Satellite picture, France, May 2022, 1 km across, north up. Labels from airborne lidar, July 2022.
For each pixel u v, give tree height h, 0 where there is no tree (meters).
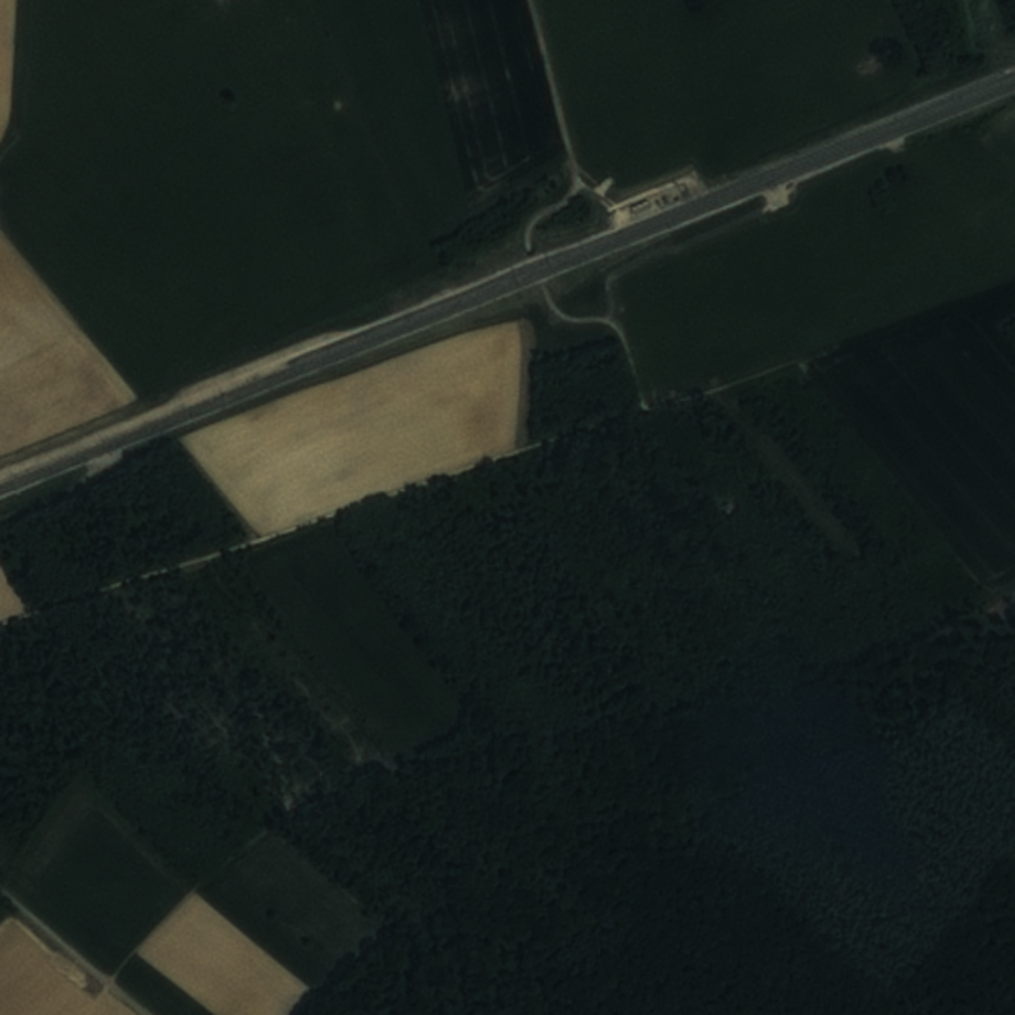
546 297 0
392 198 0
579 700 14
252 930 0
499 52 0
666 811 22
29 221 0
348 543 12
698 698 10
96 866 0
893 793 29
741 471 12
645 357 0
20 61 0
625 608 15
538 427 12
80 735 30
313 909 0
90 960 0
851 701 22
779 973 23
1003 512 0
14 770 24
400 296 0
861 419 0
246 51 0
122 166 0
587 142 0
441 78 0
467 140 0
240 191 0
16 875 0
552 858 24
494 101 0
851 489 10
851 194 0
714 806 25
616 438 30
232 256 0
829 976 21
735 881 24
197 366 0
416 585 22
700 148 0
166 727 21
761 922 24
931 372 0
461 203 0
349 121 0
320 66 0
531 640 22
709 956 25
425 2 0
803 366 0
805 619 23
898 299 0
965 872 29
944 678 25
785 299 0
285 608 0
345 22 0
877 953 28
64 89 0
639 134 0
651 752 27
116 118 0
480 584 20
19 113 0
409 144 0
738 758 30
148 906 0
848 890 31
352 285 0
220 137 0
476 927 27
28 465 0
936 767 30
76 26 0
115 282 0
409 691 0
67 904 0
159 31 0
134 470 19
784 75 0
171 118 0
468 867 27
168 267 0
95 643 25
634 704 26
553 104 0
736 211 0
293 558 0
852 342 0
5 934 0
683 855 24
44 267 0
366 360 0
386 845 26
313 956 0
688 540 23
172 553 22
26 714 12
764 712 8
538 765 22
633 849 23
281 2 0
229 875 0
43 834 0
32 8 0
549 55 0
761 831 26
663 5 0
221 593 6
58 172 0
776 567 22
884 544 22
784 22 0
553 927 27
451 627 23
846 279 0
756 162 0
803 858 29
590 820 17
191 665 18
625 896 19
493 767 24
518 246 0
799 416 9
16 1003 0
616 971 21
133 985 0
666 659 10
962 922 21
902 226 0
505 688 20
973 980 21
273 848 0
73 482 0
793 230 0
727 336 0
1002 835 22
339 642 0
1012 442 0
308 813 23
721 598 25
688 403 10
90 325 0
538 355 12
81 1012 0
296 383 0
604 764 25
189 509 22
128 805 17
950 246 0
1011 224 0
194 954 0
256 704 22
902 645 21
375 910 23
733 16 0
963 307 0
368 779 23
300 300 0
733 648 23
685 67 0
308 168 0
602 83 0
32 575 18
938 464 0
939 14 10
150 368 0
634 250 0
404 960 24
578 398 16
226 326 0
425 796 13
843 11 0
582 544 11
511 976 15
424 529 14
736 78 0
